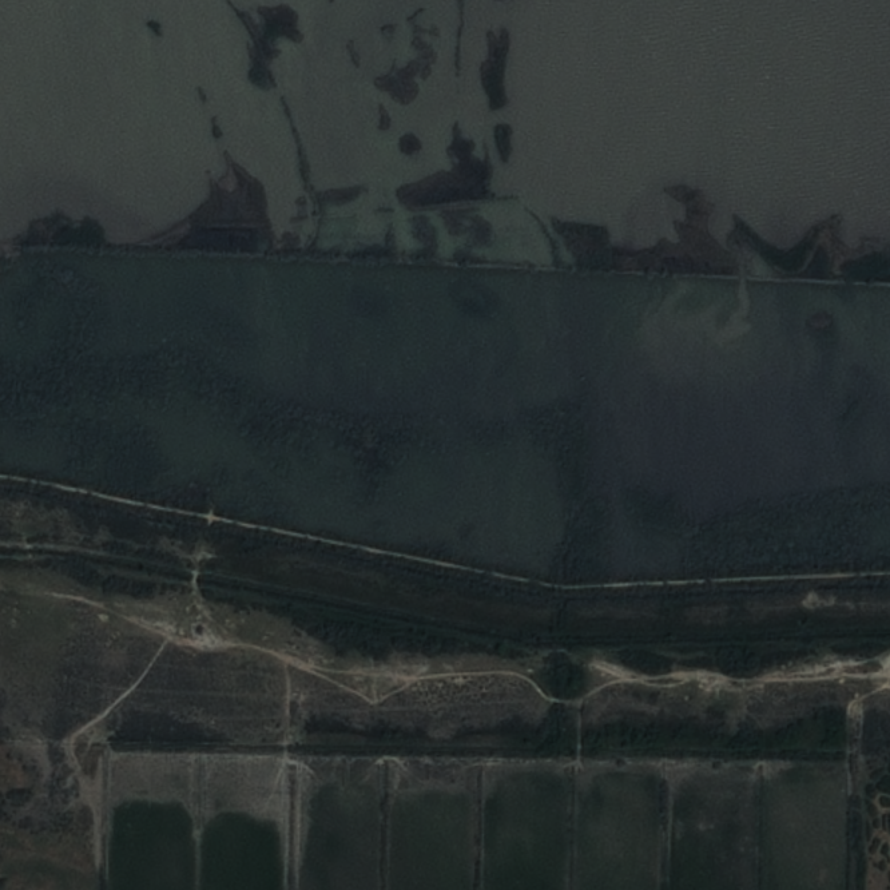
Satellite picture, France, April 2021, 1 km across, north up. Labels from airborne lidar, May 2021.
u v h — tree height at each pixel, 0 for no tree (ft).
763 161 0
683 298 0
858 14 0
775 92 0
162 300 0
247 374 0
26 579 0
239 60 0
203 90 0
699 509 0
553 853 0
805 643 0
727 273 0
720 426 0
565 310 0
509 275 0
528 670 0
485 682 0
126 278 0
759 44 0
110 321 0
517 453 0
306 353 0
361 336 0
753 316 0
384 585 0
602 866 0
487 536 0
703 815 0
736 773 0
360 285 0
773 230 0
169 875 0
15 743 0
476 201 0
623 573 0
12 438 0
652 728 19
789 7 0
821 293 0
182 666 0
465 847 0
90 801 0
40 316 0
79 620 0
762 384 0
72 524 0
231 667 0
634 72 0
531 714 0
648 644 0
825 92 0
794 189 0
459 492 0
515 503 0
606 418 0
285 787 0
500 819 0
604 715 0
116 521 0
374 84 0
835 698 0
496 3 0
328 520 0
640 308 0
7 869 0
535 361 0
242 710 0
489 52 0
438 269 0
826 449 0
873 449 0
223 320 0
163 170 0
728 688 0
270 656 0
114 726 0
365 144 0
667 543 0
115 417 0
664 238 0
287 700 0
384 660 0
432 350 0
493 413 0
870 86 0
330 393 0
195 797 0
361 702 0
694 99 0
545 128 0
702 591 18
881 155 0
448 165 0
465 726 0
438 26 0
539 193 0
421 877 0
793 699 0
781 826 0
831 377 0
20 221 0
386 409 0
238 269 0
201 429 0
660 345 0
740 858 0
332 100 0
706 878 0
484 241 0
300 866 0
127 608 0
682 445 0
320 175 0
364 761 0
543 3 0
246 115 0
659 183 0
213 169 0
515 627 0
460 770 0
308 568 0
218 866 0
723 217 0
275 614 0
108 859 0
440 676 0
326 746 0
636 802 0
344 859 0
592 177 0
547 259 0
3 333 0
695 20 0
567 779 0
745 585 28
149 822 0
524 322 0
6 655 0
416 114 0
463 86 0
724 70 0
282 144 0
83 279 0
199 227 0
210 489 0
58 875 0
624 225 0
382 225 0
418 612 0
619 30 0
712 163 0
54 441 0
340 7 0
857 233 0
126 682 0
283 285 0
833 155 0
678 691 0
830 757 21
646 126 0
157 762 0
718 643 0
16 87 0
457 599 0
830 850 0
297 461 0
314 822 0
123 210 0
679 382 0
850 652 0
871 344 0
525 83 0
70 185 0
